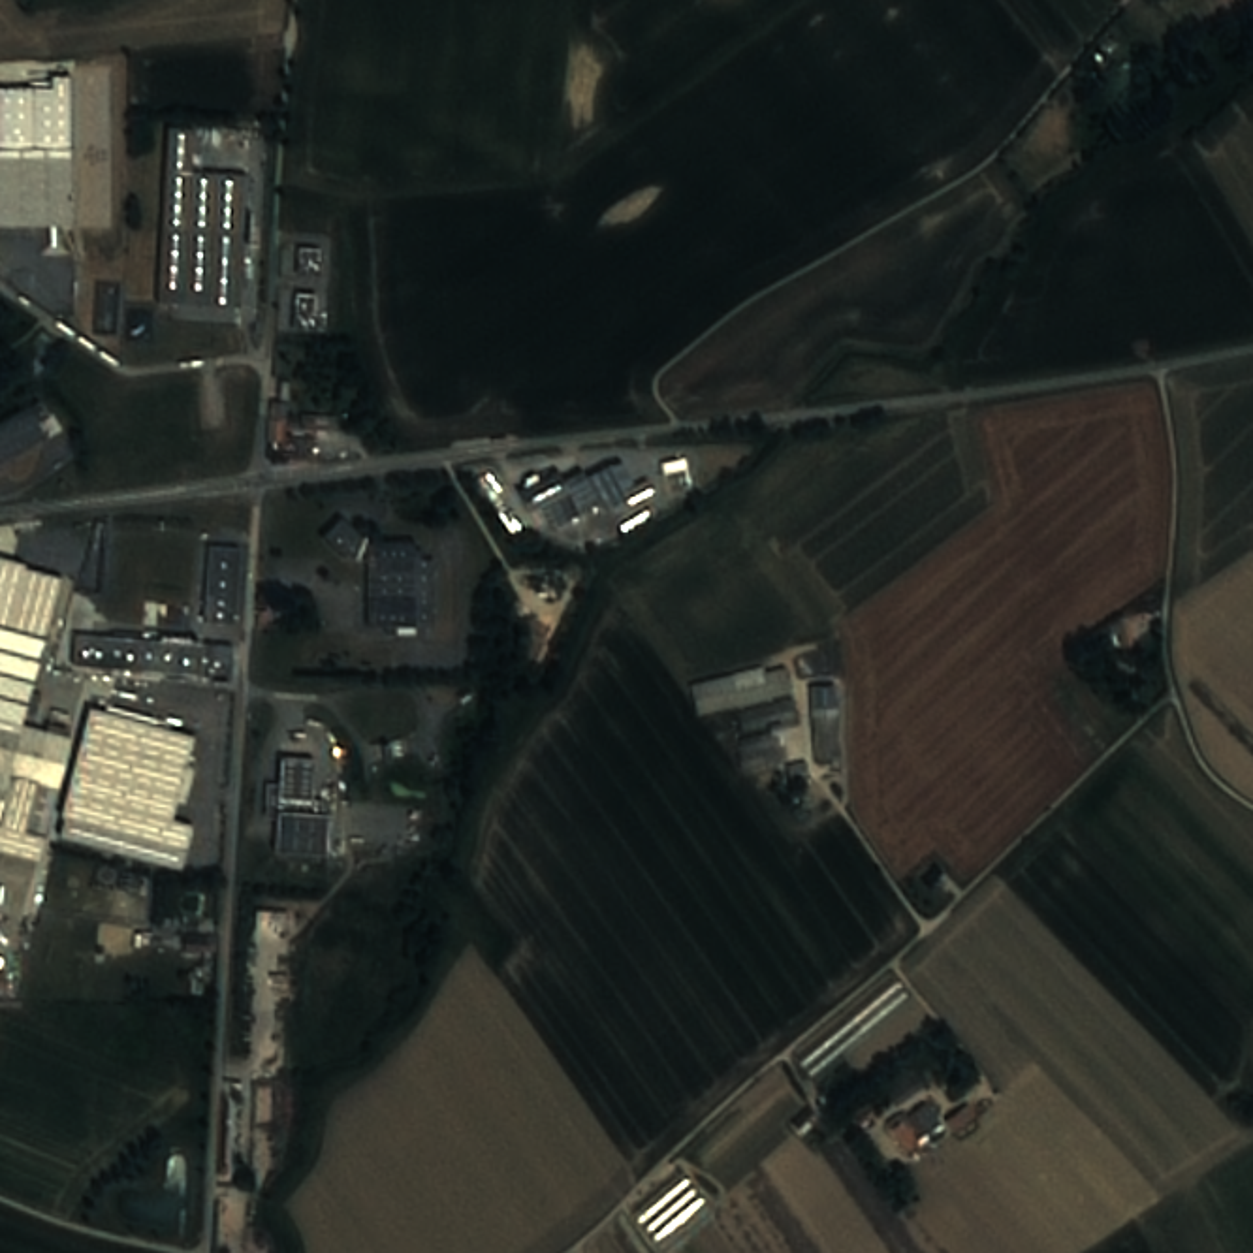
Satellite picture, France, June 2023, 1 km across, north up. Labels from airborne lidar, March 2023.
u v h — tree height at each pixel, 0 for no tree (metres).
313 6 0
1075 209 0
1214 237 0
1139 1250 0
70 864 0
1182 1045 0
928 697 0
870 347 0
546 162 0
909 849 0
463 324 0
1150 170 0
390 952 0
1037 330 0
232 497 0
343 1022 0
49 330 0
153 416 0
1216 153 0
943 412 0
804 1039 0
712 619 0
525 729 0
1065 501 0
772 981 0
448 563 0
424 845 0
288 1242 0
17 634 0
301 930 0
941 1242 0
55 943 0
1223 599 0
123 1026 0
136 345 0
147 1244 0
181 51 0
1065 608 0
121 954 0
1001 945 0
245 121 0
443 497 10
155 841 0
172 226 0
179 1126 0
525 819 0
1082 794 0
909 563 0
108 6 0
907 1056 11
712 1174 0
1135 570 0
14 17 0
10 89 0
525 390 0
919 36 0
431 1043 0
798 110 0
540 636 0
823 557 0
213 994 9
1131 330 0
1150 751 0
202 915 0
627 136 0
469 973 0
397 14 0
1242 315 0
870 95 0
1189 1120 0
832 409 0
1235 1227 0
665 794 0
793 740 0
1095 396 0
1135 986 0
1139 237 0
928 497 0
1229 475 0
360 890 0
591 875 0
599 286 0
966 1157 0
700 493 11
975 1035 0
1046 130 0
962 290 0
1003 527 0
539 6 0
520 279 0
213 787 0
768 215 0
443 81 0
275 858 0
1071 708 0
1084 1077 0
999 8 0
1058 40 0
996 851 0
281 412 0
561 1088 0
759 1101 0
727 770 0
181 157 0
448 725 0
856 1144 14
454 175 0
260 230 0
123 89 0
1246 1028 0
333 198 0
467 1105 0
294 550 0
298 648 0
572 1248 0
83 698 0
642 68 0
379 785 0
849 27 0
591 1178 0
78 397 0
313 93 0
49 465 0
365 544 0
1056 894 0
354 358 9
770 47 0
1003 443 0
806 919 0
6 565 0
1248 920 0
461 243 0
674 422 0
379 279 0
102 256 0
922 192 0
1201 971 0
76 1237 0
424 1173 0
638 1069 0
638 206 0
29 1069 0
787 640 0
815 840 0
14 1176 0
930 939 0
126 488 0
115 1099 0
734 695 0
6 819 0
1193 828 0
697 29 0
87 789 0
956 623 0
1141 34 0
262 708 0
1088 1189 0
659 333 0
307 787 0
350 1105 0
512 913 0
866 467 0
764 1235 0
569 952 0
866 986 0
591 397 0
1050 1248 0
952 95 0
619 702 0
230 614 0
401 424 0
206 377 0
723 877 0
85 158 0
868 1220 0
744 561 0
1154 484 0
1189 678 0
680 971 0
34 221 0
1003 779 0
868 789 0
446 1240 0
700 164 0
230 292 0
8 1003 0
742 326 0
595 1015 0
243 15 0
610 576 0
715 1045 0
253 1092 0
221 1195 0
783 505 0
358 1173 0
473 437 0
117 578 0
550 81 0
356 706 0
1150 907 0
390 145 0
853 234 0
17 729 0
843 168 0
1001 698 0
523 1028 0
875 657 0
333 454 0
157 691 0
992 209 0
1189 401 0
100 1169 0
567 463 0
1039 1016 0
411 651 0
